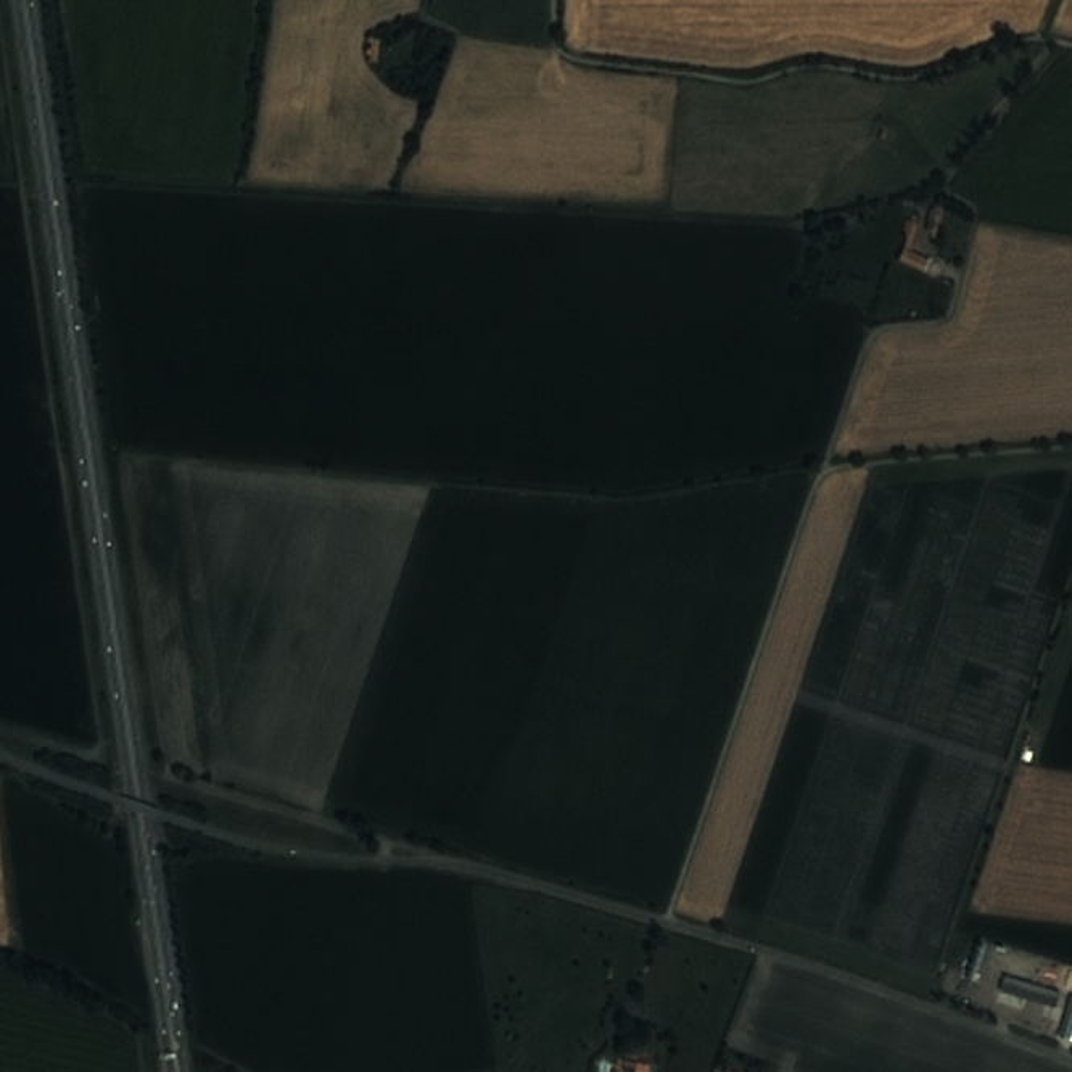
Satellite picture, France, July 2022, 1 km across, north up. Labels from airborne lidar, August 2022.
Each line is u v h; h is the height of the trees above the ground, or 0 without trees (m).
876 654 0
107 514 0
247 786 0
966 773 0
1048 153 0
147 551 0
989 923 0
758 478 12
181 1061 0
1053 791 0
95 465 0
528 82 0
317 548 0
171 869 7
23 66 0
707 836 0
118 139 0
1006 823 0
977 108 0
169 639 0
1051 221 0
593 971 0
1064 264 0
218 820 0
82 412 0
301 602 0
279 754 0
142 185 0
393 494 0
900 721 0
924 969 0
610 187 0
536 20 0
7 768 6
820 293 11
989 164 0
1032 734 0
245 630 0
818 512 0
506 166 0
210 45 0
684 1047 0
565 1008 0
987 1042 0
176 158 0
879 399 0
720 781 0
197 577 0
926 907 0
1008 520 0
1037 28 0
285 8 0
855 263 0
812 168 0
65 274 0
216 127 0
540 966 0
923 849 0
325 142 0
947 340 0
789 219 0
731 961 0
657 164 0
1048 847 0
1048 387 0
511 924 0
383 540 0
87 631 0
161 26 0
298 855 0
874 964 0
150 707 0
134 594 0
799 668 0
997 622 0
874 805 0
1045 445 13
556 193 0
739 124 0
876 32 0
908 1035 0
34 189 0
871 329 8
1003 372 0
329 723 0
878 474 0
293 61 0
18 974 17
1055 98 0
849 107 0
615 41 0
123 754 0
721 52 0
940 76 22
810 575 0
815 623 0
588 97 0
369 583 0
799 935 0
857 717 0
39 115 0
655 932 16
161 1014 0
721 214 0
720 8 0
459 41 0
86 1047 0
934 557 0
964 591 0
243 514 0
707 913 0
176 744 0
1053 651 8
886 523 0
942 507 0
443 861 0
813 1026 0
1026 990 0
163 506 0
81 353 0
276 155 0
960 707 0
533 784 0
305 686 0
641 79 0
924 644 0
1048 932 0
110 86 0
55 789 9
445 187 0
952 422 0
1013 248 0
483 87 0
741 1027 0
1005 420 0
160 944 0
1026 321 0
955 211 13
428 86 7
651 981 0
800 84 0
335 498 0
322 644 0
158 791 0
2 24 0
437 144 0
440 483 0
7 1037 0
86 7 0
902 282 0
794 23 0
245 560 0
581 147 0
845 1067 0
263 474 0
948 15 0
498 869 0
